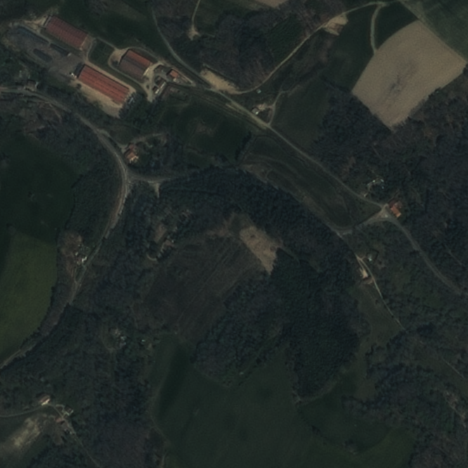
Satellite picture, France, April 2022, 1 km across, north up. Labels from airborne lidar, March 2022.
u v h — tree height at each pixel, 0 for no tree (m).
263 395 0
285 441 0
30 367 28
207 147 0
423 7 0
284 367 0
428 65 0
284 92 0
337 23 0
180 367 0
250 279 0
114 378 0
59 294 28
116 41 0
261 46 32
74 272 0
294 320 21
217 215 19
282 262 19
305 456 0
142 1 0
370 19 0
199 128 0
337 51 0
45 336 20
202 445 0
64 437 0
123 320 23
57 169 0
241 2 0
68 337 22
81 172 20
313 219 26
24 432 0
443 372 0
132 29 0
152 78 0
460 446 26
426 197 9
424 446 21
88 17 0
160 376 0
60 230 0
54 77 0
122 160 0
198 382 0
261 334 23
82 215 16
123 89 0
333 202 0
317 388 22
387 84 0
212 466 0
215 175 22
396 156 26
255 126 0
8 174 0
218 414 0
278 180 0
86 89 0
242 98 0
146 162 0
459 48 0
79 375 20
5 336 0
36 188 0
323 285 19
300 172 0
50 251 0
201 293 0
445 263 24
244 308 26
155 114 0
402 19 0
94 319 25
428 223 19
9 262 0
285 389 0
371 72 0
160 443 0
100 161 26
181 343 0
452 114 29
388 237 12
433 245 24
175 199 16
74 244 0
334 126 26
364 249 0
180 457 0
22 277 0
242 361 26
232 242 0
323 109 0
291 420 0
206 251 0
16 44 0
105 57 0
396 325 0
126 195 0
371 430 0
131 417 25
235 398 0
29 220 0
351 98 27
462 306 18
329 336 18
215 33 0
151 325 0
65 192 0
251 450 0
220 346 24
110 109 0
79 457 23
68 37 0
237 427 0
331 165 22
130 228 15
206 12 0
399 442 0
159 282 0
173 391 0
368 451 0
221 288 0
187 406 0
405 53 0
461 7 0
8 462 0
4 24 0
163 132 23
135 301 26
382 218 0
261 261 0
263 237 0
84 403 19
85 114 26
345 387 0
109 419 26
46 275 0
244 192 26
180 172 19
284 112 0
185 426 0
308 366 18
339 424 0
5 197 0
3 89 0
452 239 25
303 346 19
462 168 27
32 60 0
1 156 0
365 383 0
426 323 16
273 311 32
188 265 0
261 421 0
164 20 0
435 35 0
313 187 0
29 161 0
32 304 0
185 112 0
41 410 0
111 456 33
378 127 21
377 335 0
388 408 29
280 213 32
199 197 18
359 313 31
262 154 0
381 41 0
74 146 30
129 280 26
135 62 0
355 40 0
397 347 25
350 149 7
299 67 0
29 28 0
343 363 22
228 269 0
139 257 19
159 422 0
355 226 0
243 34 20
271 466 0
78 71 0
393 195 19
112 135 0
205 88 22
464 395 0
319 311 17
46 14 0
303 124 0
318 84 0
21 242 0
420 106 0
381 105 0
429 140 20
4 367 0
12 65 15
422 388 19
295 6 25
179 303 0
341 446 0
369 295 0
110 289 36
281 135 0
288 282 17
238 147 0
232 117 0
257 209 18
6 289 0
